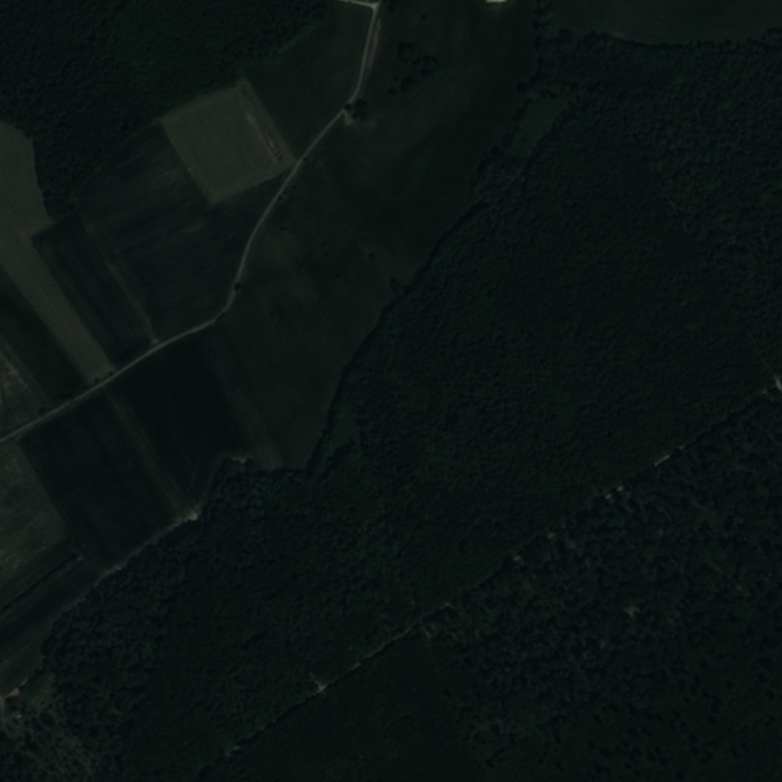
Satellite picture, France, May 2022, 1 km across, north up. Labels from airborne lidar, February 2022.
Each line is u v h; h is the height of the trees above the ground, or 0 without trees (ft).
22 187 0
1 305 0
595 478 52
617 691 93
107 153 45
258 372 0
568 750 24
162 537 0
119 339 0
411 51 51
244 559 68
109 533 0
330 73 0
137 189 0
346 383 45
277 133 0
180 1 56
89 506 0
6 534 0
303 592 69
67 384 0
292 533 71
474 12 0
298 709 30
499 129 0
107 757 92
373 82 0
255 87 0
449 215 0
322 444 35
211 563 73
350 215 0
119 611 89
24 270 0
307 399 0
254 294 0
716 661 77
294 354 0
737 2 0
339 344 0
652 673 88
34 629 0
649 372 47
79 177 48
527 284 61
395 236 0
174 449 0
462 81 0
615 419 50
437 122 0
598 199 67
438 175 0
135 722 86
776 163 70
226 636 69
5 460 0
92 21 58
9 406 0
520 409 54
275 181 0
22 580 0
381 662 29
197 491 0
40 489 0
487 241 50
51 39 51
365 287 0
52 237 0
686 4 0
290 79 0
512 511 52
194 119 0
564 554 96
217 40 54
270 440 0
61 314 0
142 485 0
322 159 0
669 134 61
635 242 59
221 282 0
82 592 0
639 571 83
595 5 0
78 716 92
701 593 88
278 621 69
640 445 55
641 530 95
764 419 93
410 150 0
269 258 0
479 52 0
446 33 0
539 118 0
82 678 90
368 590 66
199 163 0
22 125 42
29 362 0
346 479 66
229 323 0
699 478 87
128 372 0
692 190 52
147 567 81
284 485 62
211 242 0
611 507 75
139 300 0
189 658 77
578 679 83
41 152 49
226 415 0
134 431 0
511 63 0
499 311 62
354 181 0
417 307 51
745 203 72
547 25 54
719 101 81
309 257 0
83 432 0
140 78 51
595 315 58
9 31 60
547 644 80
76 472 0
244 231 0
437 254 34
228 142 0
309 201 0
